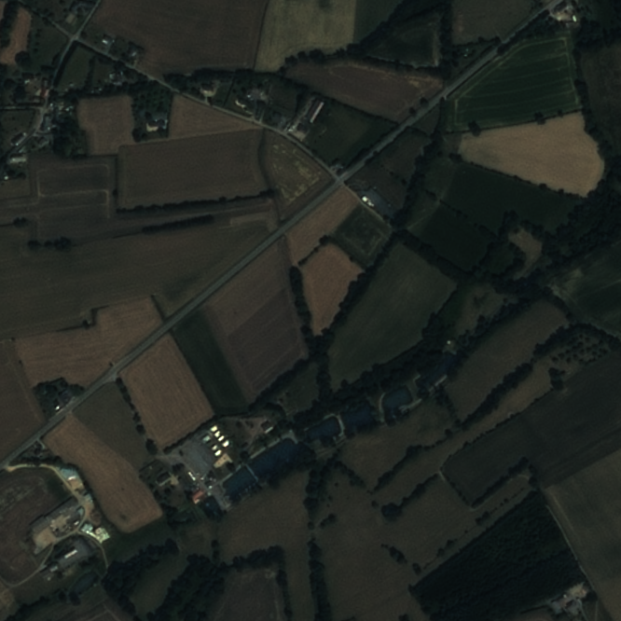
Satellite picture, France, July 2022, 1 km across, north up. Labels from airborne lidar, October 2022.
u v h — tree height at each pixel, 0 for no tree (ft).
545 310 0
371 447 0
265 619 0
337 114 0
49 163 0
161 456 0
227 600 0
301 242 0
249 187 0
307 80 0
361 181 0
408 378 41
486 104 0
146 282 0
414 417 0
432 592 41
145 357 0
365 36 0
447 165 0
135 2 0
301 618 0
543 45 0
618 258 0
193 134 0
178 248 0
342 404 61
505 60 0
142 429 55
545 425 0
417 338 0
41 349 0
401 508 24
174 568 0
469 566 26
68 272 0
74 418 0
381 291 0
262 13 0
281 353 0
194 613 31
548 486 0
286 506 0
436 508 0
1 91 37
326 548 0
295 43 0
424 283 0
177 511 42
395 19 51
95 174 0
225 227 0
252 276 0
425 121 0
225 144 0
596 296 0
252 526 0
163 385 0
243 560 56
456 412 37
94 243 0
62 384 28
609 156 53
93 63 36
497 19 0
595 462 0
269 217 0
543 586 61
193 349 0
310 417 52
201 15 0
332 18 0
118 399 0
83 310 0
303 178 0
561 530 22
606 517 0
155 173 0
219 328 0
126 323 0
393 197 0
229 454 0
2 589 0
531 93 0
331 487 0
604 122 0
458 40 0
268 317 0
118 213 28
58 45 0
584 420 0
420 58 0
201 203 34
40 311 0
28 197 0
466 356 55
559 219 0
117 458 0
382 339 0
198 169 0
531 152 0
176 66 0
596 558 0
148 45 0
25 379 0
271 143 0
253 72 37
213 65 0
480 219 0
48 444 0
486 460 0
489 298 0
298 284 58
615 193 22
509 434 0
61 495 0
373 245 0
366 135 0
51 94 36
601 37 45
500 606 51
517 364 0
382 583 0
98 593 0
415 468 0
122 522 0
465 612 62
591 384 0
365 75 0
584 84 59
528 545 22
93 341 0
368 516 0
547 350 47
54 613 0
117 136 0
